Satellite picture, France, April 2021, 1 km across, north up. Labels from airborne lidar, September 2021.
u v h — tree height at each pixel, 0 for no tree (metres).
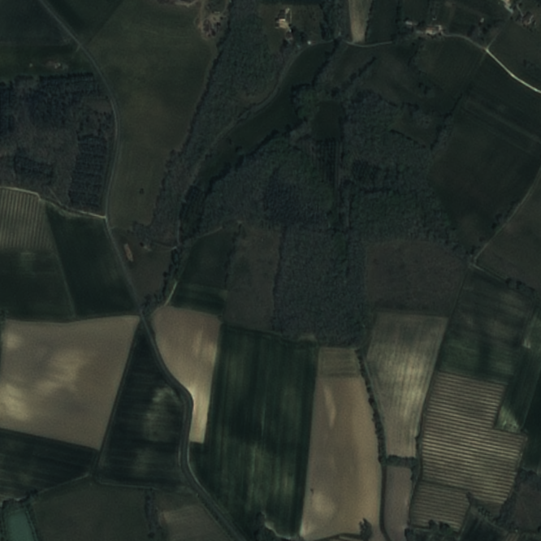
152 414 0
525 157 0
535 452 0
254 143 0
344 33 17
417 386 0
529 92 0
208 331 0
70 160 16
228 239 0
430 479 0
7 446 0
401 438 0
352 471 0
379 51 0
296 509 0
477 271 0
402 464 15
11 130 14
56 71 0
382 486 0
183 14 0
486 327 0
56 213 0
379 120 20
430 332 0
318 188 22
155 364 0
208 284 0
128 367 0
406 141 16
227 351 0
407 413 0
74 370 0
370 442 0
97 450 0
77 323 0
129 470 0
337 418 0
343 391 0
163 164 0
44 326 0
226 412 0
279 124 0
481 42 15
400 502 0
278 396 0
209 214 20
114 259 0
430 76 0
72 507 0
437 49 0
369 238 17
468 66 0
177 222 16
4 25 0
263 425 0
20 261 0
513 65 0
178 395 0
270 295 0
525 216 0
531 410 0
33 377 0
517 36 0
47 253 0
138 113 0
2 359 0
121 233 0
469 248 0
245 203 19
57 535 0
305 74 0
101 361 0
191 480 0
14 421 0
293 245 23
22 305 0
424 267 0
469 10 0
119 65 0
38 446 0
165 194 16
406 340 0
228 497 0
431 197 14
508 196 0
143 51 0
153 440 0
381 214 15
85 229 0
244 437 0
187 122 0
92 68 0
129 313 0
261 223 19
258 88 19
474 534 0
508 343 0
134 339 0
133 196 0
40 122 20
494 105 0
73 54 0
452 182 0
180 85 0
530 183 0
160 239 13
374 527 0
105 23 0
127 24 0
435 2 6
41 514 0
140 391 0
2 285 0
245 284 0
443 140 15
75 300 0
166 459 0
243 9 17
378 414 7
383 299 0
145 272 0
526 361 0
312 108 11
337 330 23
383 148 20
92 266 0
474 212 0
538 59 0
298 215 15
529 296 9
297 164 20
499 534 0
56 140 15
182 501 0
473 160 0
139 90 0
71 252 0
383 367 0
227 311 0
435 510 0
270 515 0
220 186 19
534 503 0
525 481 10
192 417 0
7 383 0
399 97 0
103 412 0
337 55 17
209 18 0
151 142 0
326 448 0
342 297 20
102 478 0
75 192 13
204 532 0
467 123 0
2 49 0
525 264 0
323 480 0
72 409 0
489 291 0
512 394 0
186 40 0
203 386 0
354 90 15
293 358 0
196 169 22
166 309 0
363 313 18
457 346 0
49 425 0
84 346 0
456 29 0
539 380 0
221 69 21
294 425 0
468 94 0
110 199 0
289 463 0
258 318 0
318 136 0
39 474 0
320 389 0
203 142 17
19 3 0
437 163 0
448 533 11
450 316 0
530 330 0
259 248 0
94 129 0
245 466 0
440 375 0
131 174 0
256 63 20
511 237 0
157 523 16
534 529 0
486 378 0
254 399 0
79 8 0
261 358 0
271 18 0
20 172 17
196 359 0
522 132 0
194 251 0
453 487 0
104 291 0
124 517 0
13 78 0
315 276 23
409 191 11
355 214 21
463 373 0
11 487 0
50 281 0
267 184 21
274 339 0
